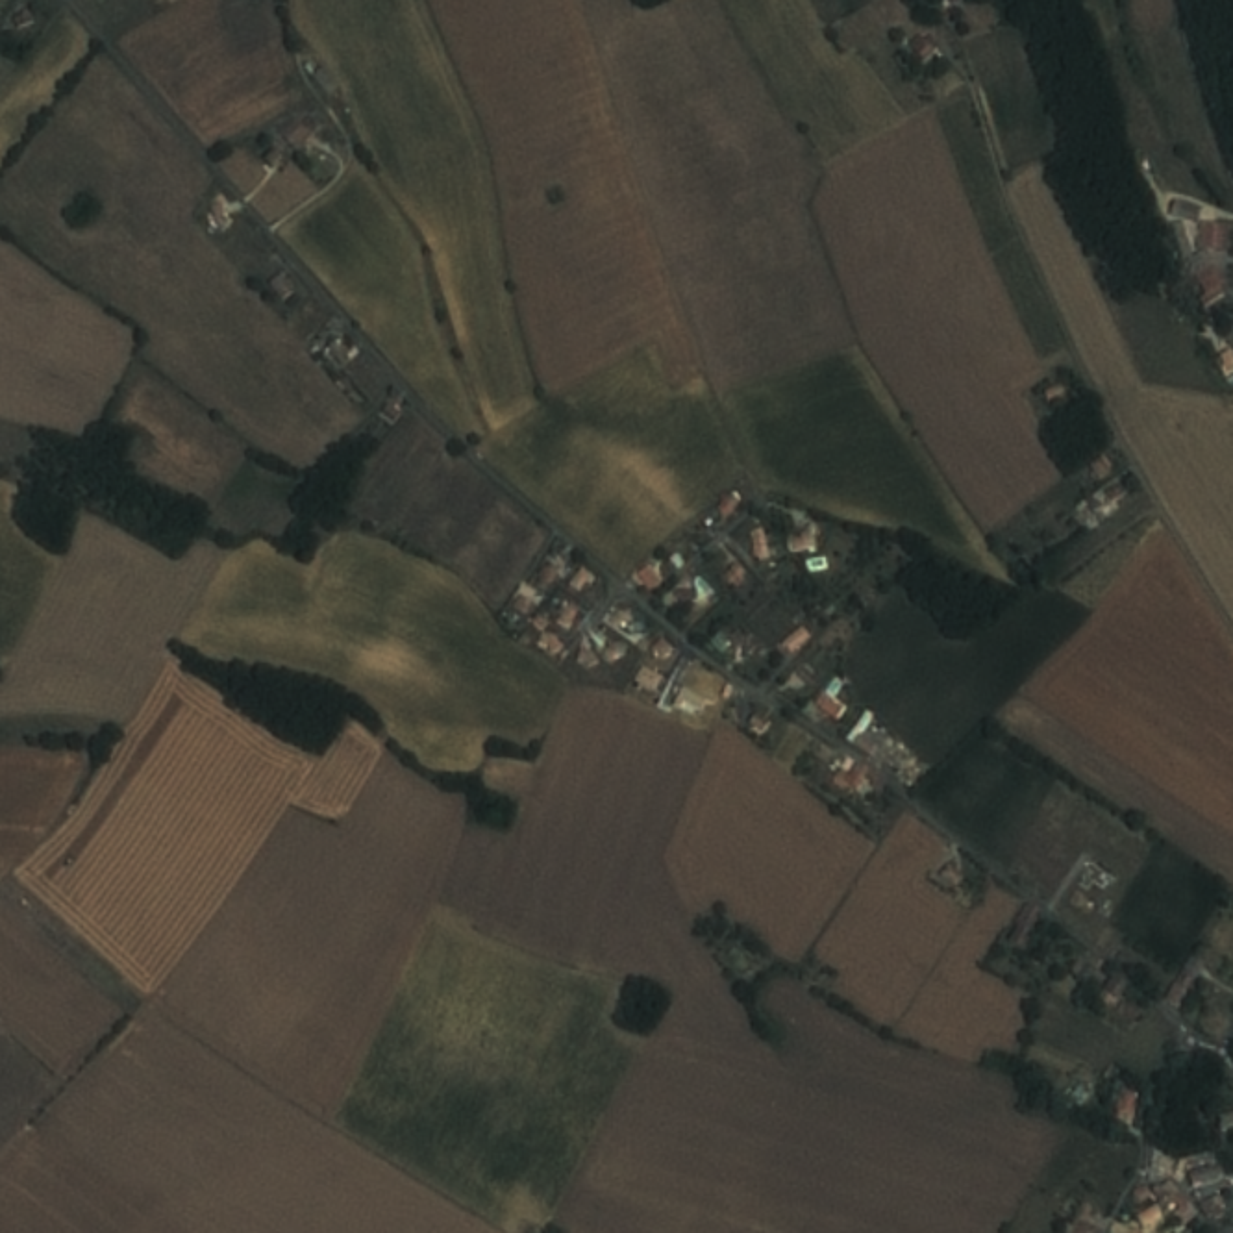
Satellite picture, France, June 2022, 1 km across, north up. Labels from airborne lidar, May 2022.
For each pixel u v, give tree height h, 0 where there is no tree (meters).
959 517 0
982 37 0
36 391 0
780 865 0
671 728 0
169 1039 0
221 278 0
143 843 0
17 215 0
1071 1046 0
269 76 0
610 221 0
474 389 0
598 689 0
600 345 0
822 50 0
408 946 0
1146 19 0
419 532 0
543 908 0
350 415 0
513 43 0
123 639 0
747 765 0
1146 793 0
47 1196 0
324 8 0
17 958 0
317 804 0
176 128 0
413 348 0
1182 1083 15
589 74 0
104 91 0
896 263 0
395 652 0
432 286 0
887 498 0
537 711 0
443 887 0
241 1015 0
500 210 0
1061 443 14
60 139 0
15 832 0
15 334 0
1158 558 0
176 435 0
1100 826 0
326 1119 0
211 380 0
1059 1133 0
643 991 20
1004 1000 0
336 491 10
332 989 0
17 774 0
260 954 0
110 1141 0
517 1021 0
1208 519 0
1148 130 0
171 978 0
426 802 0
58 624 0
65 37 0
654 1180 0
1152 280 19
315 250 0
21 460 12
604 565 0
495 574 0
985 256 0
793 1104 0
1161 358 0
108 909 0
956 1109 0
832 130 0
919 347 0
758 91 0
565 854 0
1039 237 0
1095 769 0
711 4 0
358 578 0
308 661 0
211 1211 0
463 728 0
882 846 0
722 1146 0
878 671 0
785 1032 0
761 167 0
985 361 0
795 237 0
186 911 0
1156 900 0
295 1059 0
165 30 0
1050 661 0
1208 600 0
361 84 0
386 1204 0
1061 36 20
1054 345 0
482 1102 0
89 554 0
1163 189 0
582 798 0
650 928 0
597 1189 0
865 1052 0
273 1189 0
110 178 0
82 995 0
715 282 0
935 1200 0
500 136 0
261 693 18
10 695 0
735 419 0
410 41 0
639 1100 0
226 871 0
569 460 0
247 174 0
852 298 0
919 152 0
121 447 15
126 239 0
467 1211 0
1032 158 0
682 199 0
